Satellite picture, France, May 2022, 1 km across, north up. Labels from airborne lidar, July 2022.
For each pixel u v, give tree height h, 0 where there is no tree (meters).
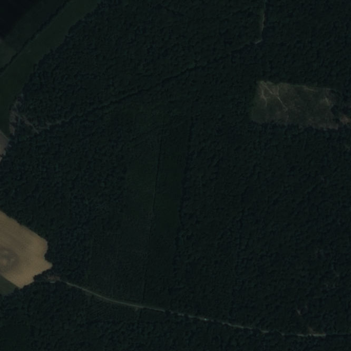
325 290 28
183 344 27
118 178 10
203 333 27
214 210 19
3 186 29
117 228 21
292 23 25
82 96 22
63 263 25
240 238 29
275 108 0
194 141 26
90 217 27
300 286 25
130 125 10
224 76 29
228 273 22
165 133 17
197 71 29
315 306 27
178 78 25
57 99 24
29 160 25
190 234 14
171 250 15
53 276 24
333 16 31
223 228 21
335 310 28
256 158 24
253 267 23
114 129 9
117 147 23
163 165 11
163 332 12
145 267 7
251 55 28
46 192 22
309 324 27
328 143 24
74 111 21
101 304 5
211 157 8
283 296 25
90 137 26
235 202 19
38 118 21
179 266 26
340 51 22
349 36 27
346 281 28
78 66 20
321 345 25
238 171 18
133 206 13
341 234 27
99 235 9
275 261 26
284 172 25
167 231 7
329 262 17
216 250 21
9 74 0
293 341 22
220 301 20
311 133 23
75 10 0
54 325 30
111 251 8
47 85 19
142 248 8
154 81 24
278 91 0
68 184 25
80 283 23
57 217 22
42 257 0
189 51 29
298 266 31
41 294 17
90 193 27
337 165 22
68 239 23
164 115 6
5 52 0
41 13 0
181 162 11
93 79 26
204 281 20
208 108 25
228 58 25
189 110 24
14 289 0
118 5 28
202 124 22
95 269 6
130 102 26
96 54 21
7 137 0
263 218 28
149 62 29
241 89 28
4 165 29
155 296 15
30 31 0
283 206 24
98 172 12
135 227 7
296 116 0
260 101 0
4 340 10
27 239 0
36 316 23
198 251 24
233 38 23
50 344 28
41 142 25
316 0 30
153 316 12
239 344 21
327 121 0
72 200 15
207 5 33
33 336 29
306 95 0
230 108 21
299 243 27
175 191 11
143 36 24
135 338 23
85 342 28
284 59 27
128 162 6
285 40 20
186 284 19
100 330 23
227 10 25
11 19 0
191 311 21
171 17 30
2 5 0
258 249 23
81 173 20
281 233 28
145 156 7
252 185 28
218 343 21
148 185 6
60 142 25
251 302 28
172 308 20
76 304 25
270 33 27
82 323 26
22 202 25
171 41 29
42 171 24
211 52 28
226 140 26
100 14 25
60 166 23
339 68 25
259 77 28
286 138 21
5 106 0
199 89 20
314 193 29
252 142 14
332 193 20
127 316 7
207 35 23
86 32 21
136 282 7
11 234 0
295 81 24
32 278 0
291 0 32
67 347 30
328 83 20
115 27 23
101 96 28
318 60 24
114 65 21
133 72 24
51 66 21
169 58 25
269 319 26
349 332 19
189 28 34
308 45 24
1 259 0
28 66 0
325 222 21
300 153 27
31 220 17
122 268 11
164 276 10
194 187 28
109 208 26
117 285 6
